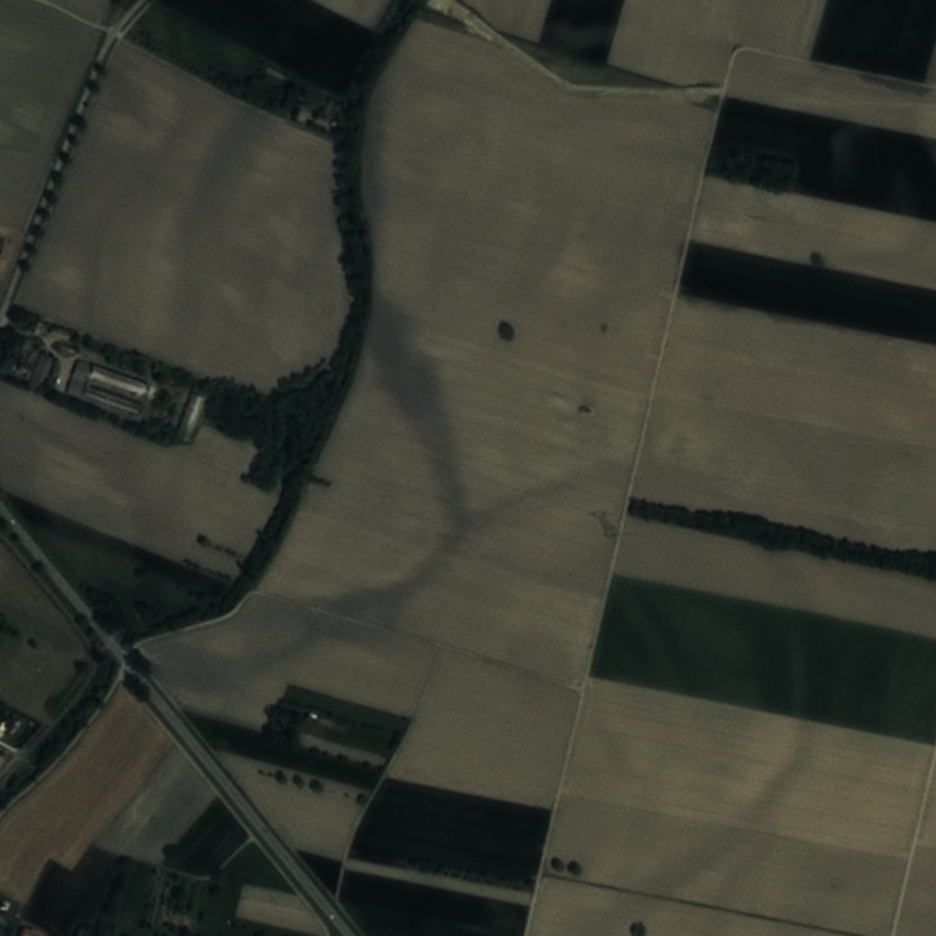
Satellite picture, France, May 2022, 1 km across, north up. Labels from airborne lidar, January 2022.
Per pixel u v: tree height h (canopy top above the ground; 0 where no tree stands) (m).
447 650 0
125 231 0
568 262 0
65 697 0
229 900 0
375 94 0
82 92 0
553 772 0
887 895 0
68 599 0
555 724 0
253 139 0
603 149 0
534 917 0
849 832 0
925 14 0
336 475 0
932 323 0
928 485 0
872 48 0
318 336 0
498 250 0
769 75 0
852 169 0
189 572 0
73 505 0
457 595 0
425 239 0
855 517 0
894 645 0
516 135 0
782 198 0
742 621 0
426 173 0
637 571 0
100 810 0
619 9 0
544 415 0
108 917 12
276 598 0
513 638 0
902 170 0
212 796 0
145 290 0
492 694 0
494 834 0
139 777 0
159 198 0
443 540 0
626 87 0
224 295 0
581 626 0
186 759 0
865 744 0
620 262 0
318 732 0
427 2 0
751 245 0
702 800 0
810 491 0
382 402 0
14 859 0
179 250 0
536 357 0
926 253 0
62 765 0
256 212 0
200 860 0
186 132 0
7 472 0
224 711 0
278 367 0
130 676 0
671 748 0
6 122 0
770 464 0
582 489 0
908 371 0
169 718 0
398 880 0
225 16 0
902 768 0
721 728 0
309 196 0
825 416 0
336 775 0
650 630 0
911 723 0
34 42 0
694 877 0
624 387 0
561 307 0
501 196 0
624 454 0
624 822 0
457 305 0
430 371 0
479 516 0
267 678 0
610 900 0
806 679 0
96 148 0
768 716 0
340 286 0
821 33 0
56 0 0
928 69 0
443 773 0
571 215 0
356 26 0
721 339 0
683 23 0
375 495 0
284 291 0
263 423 6
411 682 0
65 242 0
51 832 0
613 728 0
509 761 0
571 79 0
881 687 0
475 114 0
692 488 0
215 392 11
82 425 0
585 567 0
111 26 0
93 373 0
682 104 0
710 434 0
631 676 0
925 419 0
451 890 0
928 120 0
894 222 0
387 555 0
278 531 9
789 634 0
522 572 0
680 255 0
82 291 0
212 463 0
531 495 0
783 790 0
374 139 0
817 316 0
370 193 0
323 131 10
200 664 0
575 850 0
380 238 0
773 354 0
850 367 0
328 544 0
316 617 0
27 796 0
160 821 0
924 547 0
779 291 0
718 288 0
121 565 0
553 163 0
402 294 0
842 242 0
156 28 0
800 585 0
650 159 0
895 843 0
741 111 0
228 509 0
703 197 0
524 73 0
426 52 0
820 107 0
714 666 0
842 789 0
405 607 0
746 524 18
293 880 0
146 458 0
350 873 0
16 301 0
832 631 0
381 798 0
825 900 0
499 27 0
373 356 0
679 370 0
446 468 0
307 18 0
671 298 0
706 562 0
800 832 0
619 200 0
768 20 0
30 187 0
